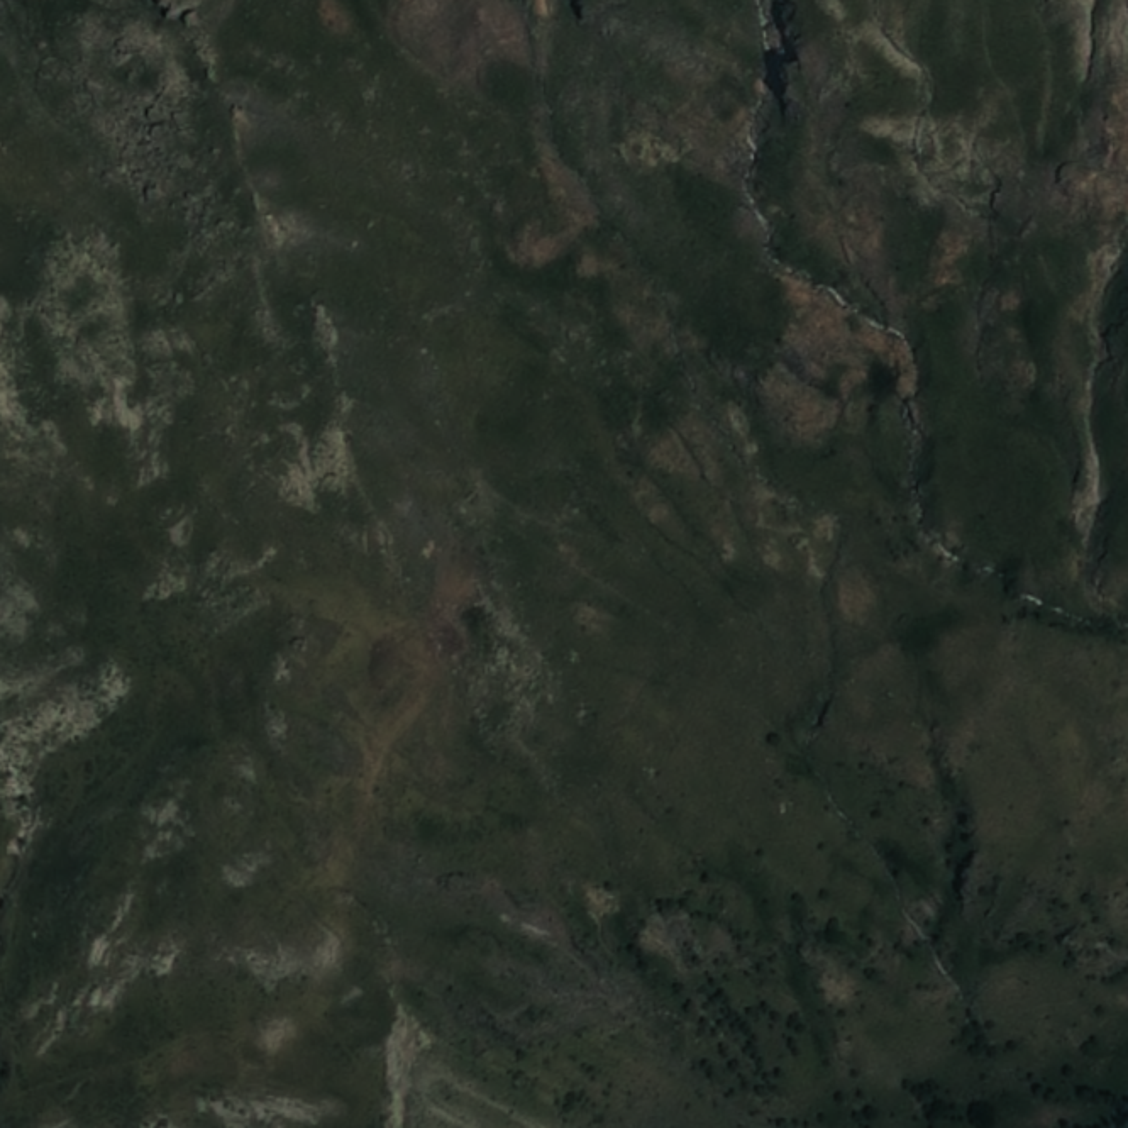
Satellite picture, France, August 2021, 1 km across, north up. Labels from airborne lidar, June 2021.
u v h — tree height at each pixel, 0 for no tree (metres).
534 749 0
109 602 0
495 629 0
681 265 0
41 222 0
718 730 0
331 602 0
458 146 0
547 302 0
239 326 0
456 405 0
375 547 0
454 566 0
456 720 0
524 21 0
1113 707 0
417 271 0
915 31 0
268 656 0
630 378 0
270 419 0
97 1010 0
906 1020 0
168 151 0
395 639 0
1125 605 0
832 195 0
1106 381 0
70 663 0
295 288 0
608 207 0
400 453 0
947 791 0
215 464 0
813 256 0
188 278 0
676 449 0
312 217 0
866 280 0
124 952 0
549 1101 0
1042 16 0
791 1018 7
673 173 0
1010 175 0
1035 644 0
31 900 0
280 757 0
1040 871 0
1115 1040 0
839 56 0
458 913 0
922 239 0
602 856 0
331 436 0
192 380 0
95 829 0
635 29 0
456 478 0
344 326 0
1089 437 0
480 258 0
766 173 0
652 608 0
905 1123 0
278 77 0
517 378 0
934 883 0
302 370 0
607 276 0
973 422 0
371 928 0
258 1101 0
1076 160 0
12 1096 0
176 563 0
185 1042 0
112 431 0
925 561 0
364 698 0
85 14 0
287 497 0
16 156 0
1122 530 0
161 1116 0
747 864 0
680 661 0
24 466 0
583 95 0
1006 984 0
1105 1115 0
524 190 0
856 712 0
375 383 0
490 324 0
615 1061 0
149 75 0
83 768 0
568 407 0
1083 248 0
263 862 0
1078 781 0
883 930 0
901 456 0
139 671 0
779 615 0
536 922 0
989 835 0
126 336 0
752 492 0
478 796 0
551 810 0
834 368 0
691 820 0
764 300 0
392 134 0
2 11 0
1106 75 0
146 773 0
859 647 0
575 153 0
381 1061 0
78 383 0
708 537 0
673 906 7
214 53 0
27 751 0
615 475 0
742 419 0
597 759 0
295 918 0
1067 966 8
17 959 0
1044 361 0
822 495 0
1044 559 0
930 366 0
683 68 0
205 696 0
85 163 0
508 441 0
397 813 0
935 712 0
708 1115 0
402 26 0
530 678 0
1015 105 0
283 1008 0
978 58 0
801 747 0
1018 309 0
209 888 0
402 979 0
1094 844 0
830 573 0
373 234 0
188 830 0
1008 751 0
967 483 0
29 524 0
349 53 0
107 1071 0
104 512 0
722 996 17
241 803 0
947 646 0
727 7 0
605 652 0
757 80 0
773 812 0
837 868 0
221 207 0
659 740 0
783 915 0
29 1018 0
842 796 0
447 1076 0
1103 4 0
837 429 0
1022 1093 0
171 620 0
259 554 0
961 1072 0
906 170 0
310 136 0
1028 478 0
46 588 0
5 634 0
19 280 0
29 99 0
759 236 0
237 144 0
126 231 0
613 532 0
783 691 0
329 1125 0
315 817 0
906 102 0
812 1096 0
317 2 0
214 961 0
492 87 0
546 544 0
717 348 0
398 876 0
